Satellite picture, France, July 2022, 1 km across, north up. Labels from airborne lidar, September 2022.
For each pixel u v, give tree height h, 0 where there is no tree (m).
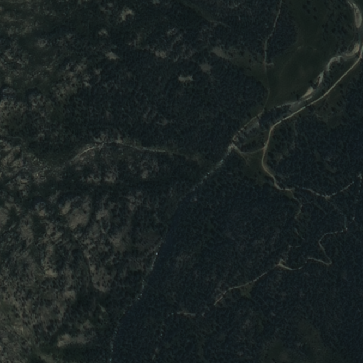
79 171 6
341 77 0
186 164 12
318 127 9
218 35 21
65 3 7
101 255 10
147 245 0
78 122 10
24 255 0
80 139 10
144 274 14
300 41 0
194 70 24
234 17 18
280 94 0
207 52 7
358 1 0
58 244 7
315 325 8
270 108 0
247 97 16
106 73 18
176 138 7
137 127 23
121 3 7
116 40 16
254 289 7
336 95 0
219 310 23
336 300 14
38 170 0
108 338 26
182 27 7
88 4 8
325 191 14
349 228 13
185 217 16
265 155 0
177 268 14
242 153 0
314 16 0
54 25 8
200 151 14
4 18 0
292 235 10
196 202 11
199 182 7
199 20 13
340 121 0
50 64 0
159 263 6
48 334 11
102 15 11
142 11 8
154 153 8
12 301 0
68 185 10
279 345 0
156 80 11
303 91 0
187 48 9
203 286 21
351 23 0
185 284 24
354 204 23
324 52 0
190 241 11
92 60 10
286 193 0
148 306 8
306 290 8
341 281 17
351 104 10
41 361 9
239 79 19
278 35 9
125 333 22
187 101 10
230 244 16
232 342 7
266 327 17
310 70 0
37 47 0
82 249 6
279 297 19
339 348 11
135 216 18
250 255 10
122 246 0
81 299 5
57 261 11
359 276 7
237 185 10
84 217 0
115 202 9
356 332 14
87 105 17
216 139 17
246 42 10
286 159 13
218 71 20
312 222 7
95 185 8
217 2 15
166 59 20
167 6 10
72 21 7
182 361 25
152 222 7
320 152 24
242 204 12
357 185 14
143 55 18
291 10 0
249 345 11
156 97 21
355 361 10
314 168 18
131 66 15
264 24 12
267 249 13
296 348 10
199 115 13
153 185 20
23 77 0
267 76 0
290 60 0
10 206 0
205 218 19
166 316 16
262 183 0
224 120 17
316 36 0
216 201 28
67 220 0
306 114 0
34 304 9
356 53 0
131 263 20
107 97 18
